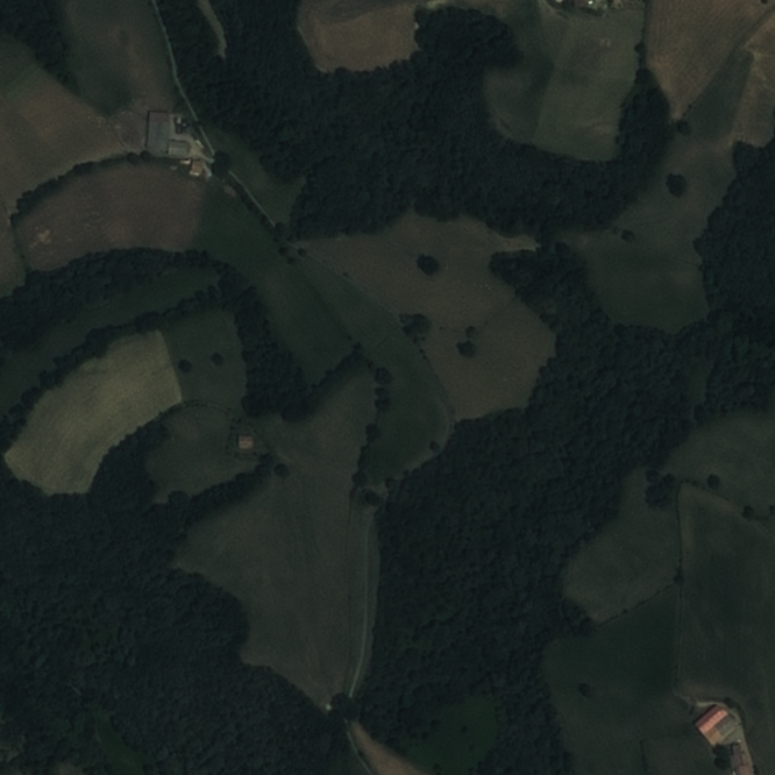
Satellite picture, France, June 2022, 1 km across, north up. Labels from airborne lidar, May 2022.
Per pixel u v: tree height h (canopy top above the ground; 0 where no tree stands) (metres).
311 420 0
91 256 10
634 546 0
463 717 0
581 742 0
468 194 16
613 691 0
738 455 0
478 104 21
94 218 0
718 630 0
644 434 11
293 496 0
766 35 0
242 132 19
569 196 25
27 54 0
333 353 0
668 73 0
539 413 21
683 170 0
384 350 0
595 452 19
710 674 0
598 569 0
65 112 0
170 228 0
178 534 13
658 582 0
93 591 23
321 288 0
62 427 0
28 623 16
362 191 23
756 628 0
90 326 0
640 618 0
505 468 18
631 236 17
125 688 14
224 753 13
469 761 0
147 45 0
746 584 0
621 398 23
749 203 33
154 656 15
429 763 0
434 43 12
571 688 0
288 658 0
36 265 0
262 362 16
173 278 0
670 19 0
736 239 24
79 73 0
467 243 0
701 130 0
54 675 17
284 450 0
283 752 10
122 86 0
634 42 0
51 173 0
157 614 25
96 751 16
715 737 0
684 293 0
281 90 20
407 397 0
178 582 19
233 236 0
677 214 0
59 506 18
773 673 0
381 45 0
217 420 0
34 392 11
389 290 0
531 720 21
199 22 22
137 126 0
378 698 17
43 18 21
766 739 0
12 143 0
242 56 25
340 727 11
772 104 0
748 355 24
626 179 28
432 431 0
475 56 32
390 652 7
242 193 8
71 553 21
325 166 18
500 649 25
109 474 15
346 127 27
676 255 0
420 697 20
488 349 0
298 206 6
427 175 24
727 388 16
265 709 11
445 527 23
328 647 0
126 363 0
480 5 0
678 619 0
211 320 0
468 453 10
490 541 10
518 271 21
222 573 0
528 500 15
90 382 0
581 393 20
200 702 8
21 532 15
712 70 0
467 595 8
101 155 0
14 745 6
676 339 6
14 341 25
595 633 12
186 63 18
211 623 14
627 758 0
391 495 8
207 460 0
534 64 0
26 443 0
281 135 27
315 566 0
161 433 15
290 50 16
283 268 0
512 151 22
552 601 19
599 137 0
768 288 29
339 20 0
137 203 0
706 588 0
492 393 0
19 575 21
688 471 0
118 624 10
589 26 0
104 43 0
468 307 0
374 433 17
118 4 0
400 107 27
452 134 18
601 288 0
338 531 0
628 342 24
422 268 20
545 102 0
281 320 0
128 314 0
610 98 0
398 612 13
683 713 0
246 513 0
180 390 0
